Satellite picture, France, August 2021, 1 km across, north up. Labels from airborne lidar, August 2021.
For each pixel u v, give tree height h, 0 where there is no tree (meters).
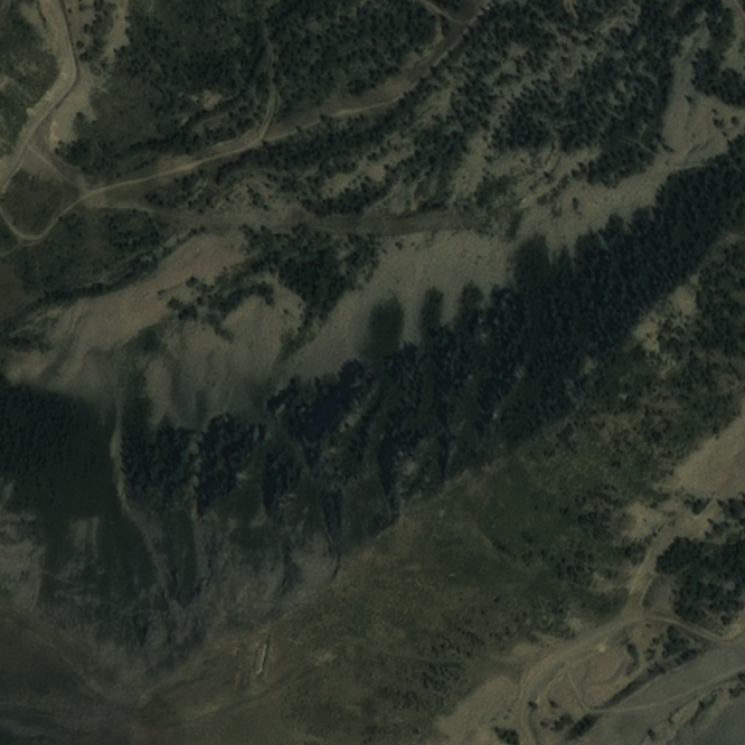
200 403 0
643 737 0
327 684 0
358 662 0
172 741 0
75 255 0
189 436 8
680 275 9
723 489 0
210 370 0
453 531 0
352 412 11
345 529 0
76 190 0
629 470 0
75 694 0
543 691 0
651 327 0
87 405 0
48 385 0
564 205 0
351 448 0
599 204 0
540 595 0
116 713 0
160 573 0
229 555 0
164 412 0
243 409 0
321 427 9
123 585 0
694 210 19
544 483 0
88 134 0
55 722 0
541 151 15
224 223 0
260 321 0
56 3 0
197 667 0
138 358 0
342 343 0
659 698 0
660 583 0
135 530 0
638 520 0
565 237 0
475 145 0
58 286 0
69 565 0
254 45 8
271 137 0
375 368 0
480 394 0
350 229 0
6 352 0
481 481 0
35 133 0
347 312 0
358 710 0
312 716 0
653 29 10
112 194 0
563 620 0
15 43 0
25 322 0
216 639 0
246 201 0
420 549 0
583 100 21
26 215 0
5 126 0
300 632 0
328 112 0
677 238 9
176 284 0
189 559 0
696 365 18
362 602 0
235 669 0
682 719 0
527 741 0
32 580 0
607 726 0
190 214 0
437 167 15
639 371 0
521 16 13
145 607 0
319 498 0
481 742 0
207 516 0
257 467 0
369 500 0
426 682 10
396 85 0
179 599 0
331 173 13
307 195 11
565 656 0
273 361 0
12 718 0
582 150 12
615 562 0
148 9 0
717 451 0
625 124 10
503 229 0
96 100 0
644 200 0
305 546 0
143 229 0
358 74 0
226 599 0
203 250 0
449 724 0
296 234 15
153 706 0
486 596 0
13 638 0
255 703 0
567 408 9
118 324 0
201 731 0
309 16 9
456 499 0
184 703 0
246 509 0
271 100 0
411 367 10
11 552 0
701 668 0
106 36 0
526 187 0
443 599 0
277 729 0
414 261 0
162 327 0
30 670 0
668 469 0
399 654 0
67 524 0
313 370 0
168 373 0
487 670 0
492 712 0
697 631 0
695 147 0
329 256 14
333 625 0
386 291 0
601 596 0
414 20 13
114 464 0
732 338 21
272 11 9
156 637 0
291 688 0
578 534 0
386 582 0
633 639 0
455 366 11
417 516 0
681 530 0
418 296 0
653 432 7
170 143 11
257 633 0
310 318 8
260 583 0
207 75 13
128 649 0
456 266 0
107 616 0
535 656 0
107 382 0
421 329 0
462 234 0
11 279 0
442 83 16
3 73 0
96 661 0
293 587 0
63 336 0
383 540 0
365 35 14
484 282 0
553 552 0
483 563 0
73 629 0
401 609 0
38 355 0
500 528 0
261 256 0
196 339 0
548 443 0
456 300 0
